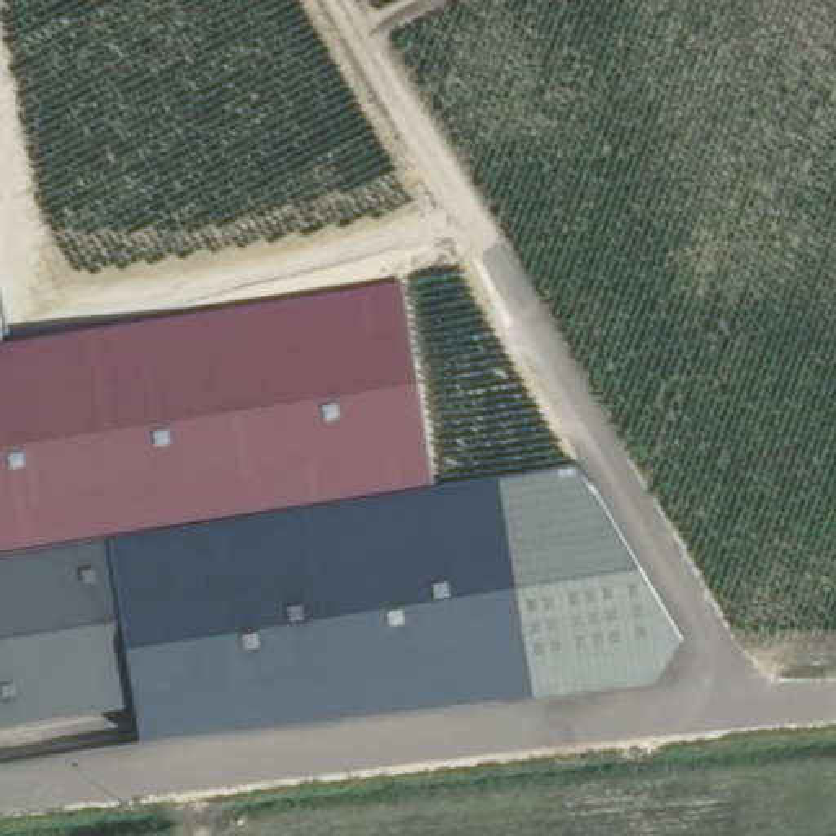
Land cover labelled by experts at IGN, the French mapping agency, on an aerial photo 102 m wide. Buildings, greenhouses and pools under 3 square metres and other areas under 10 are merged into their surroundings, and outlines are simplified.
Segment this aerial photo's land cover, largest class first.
<instances>
[{"label":"vineyard","instance_id":"1","mask_svg":"<svg viewBox=\"0 0 836 836\"><path fill-rule=\"evenodd\" d=\"M0 46L13 49L20 124L26 134V153L33 163L36 202L42 209V219L65 261L75 271L95 274L101 268L157 265L163 258H189L196 251L248 248L255 242H281L284 235H317L323 229H346L359 219H382L411 202V193L395 173L392 157L379 144L366 114L359 111L349 85L343 82L336 62L330 59V49L314 29L300 0H0ZM389 49L392 59L408 72L418 101L434 118L438 131L444 134L451 153L470 176L477 196L483 199L503 238L513 245V255L523 274L529 278L539 304L552 314L555 330L568 346V356L581 366L594 402L611 415L617 438L624 441L637 467L647 474L650 493L660 500L663 513L686 539L709 591L725 611V620L738 630V637L748 647H758V653L767 663H777L784 676H836V0H447L444 7L428 10L415 23L392 29ZM398 300L405 314L428 474L441 483H464L483 477L503 480L565 467L568 454H562L555 434L539 415L536 402L529 398L513 362L503 343L496 340L493 327L487 323L483 310L477 307L457 265H431L398 278Z\"/></svg>","mask_w":836,"mask_h":836},{"label":"building","instance_id":"2","mask_svg":"<svg viewBox=\"0 0 836 836\"><path fill-rule=\"evenodd\" d=\"M683 643V634L673 614L666 611L660 591L653 588L650 575L643 568H634V562L627 558L607 516L588 493V480L578 477V470L565 467L503 480L483 477L464 483H441L428 474L405 314L398 300V278H372L291 294L137 314H101L36 323H7L0 317V732L7 725L46 722L82 712L108 718V712L124 709L137 712V741H173L202 735L330 725L346 718L402 715L451 705L523 702L529 699V692L568 696L607 686L653 683L666 669L673 650Z\"/></svg>","mask_w":836,"mask_h":836},{"label":"impervious surface","instance_id":"3","mask_svg":"<svg viewBox=\"0 0 836 836\"><path fill-rule=\"evenodd\" d=\"M483 261L496 287L503 291L513 317L526 323L532 333V343L513 362L529 398L536 402L539 415L555 434L562 454H568L565 467L578 470V477L588 480V493L607 516L627 558L634 562V568H643L650 575L653 588L660 591L666 611L673 614L683 634V643L673 650L666 669L653 683L607 686L568 696L529 692V699L523 702L451 705L402 715L346 718L330 725L202 735L173 741H137V712L124 709L108 712V718L82 712L46 722L7 725L0 732V813H134L163 803H189L202 810L209 797H235L297 784L398 777L532 758H568L591 751H620L624 758H640L643 751L653 754L663 745L676 741H712L725 735L767 728L836 725V676H784L777 663H767L758 653V647H748L738 637V630L725 620V611L709 591L686 539L663 513L660 500L650 493L647 474L637 467L624 441L617 438L611 415L594 402L581 366L568 356V346L555 330L552 314L539 304L529 278L523 274L513 255V245L503 238L487 251Z\"/></svg>","mask_w":836,"mask_h":836},{"label":"pervious surface","instance_id":"4","mask_svg":"<svg viewBox=\"0 0 836 836\"><path fill-rule=\"evenodd\" d=\"M447 0H300L314 29L330 49V59L336 62L343 82L349 85L359 111L366 114L379 144L392 157L395 173L411 193V202L382 219H359L346 229H323L317 235H284L281 242H255L248 248L196 251L189 258H163L157 265L101 268L95 274L75 271L65 261L42 219V209L36 202L33 163L26 153V134L20 124L13 49L0 46V317L7 323H36L101 314H137L291 294L372 278H398L431 265H457L477 307L483 310L487 323L493 327L496 340L503 343L513 362L532 343V333L526 323L513 317L503 291L496 287L483 261L487 251L503 238L483 199L477 196L470 176L451 153L444 134L438 131L434 118L418 101L408 72L392 59L389 49L392 29L415 23L428 10L444 7Z\"/></svg>","mask_w":836,"mask_h":836},{"label":"agricultural land","instance_id":"5","mask_svg":"<svg viewBox=\"0 0 836 836\"><path fill-rule=\"evenodd\" d=\"M173 816V833L163 836H836V725L767 728L725 735L712 741H676L663 745L653 754L643 751L640 758H624L620 751H591L568 758H532L398 777L297 784L235 797H209L202 810L189 803H163Z\"/></svg>","mask_w":836,"mask_h":836},{"label":"herbaceous vegetation","instance_id":"6","mask_svg":"<svg viewBox=\"0 0 836 836\"><path fill-rule=\"evenodd\" d=\"M173 833V816L163 803L134 813H0V836H163Z\"/></svg>","mask_w":836,"mask_h":836}]
</instances>
